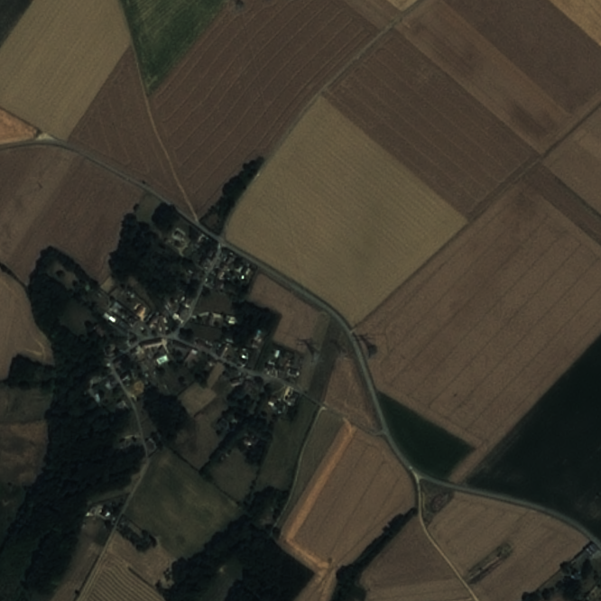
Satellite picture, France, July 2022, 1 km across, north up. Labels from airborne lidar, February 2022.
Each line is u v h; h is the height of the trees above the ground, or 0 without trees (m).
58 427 24
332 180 0
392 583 0
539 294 0
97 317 8
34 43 0
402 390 0
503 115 0
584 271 0
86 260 0
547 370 0
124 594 0
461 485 0
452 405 0
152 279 10
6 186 0
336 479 0
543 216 0
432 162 0
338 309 0
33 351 0
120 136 0
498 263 0
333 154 0
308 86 0
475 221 0
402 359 0
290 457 0
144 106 0
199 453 0
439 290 0
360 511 0
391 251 0
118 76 0
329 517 0
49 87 0
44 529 21
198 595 18
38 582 19
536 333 0
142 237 25
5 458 0
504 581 0
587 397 0
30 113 0
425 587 0
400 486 0
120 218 0
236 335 19
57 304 20
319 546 0
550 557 0
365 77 0
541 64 0
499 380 0
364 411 0
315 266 0
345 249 0
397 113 0
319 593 0
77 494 24
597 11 0
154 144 0
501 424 0
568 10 0
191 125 0
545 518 0
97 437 25
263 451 18
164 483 0
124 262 22
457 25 0
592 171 0
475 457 0
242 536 16
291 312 0
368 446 0
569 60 0
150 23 0
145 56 0
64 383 21
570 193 0
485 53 0
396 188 0
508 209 0
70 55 0
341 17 0
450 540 0
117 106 0
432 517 0
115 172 0
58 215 0
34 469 0
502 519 0
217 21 0
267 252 0
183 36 0
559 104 0
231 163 0
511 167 0
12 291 0
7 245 0
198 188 0
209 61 0
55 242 0
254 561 23
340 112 0
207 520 0
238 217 0
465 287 0
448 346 0
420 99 0
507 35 0
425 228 0
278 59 0
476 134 0
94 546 0
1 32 0
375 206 0
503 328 0
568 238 0
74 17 0
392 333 0
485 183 0
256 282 0
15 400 0
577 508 0
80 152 0
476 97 0
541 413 0
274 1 0
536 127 0
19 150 0
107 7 0
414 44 0
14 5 0
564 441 0
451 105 0
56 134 0
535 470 0
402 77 0
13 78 0
